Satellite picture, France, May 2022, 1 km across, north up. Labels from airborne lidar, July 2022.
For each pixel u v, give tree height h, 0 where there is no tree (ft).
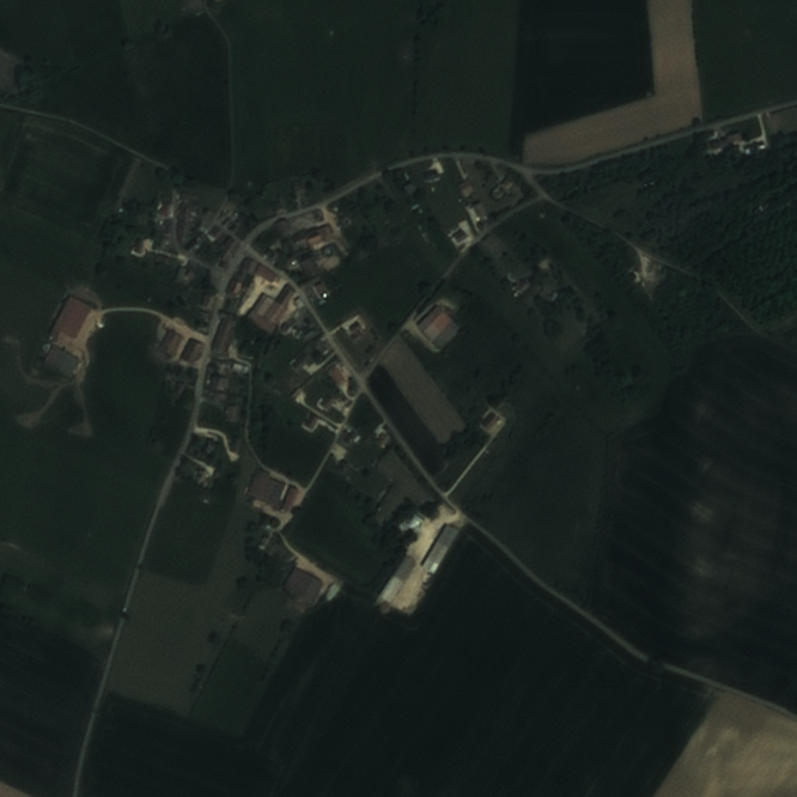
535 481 0
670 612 0
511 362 0
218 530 0
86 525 0
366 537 0
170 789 0
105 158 0
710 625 0
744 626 0
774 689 0
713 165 52
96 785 0
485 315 0
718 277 36
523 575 0
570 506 0
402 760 0
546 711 0
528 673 0
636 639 0
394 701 0
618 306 0
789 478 0
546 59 0
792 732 0
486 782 0
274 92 0
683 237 47
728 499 0
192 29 0
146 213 23
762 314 27
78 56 0
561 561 0
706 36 0
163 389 18
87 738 0
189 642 0
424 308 23
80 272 0
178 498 0
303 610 0
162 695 0
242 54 0
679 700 0
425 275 0
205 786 0
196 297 0
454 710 0
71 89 0
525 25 0
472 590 0
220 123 0
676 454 0
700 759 0
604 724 0
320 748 0
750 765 0
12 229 0
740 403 0
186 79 0
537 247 42
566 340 0
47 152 0
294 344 0
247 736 0
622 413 0
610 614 0
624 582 0
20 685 0
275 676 0
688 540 0
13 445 0
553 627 0
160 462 0
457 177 0
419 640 0
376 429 0
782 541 0
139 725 0
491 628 0
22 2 0
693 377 0
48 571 0
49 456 0
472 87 0
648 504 0
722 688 0
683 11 0
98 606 0
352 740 0
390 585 0
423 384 0
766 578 0
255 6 0
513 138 0
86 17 0
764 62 0
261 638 0
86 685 0
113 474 0
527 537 0
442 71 0
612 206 0
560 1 0
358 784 0
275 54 0
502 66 0
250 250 0
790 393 0
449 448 31
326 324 0
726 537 0
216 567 0
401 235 32
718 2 0
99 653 0
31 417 0
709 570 0
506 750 0
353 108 0
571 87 0
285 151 0
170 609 0
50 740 0
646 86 0
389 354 0
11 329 0
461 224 0
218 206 0
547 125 0
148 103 0
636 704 0
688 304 21
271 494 0
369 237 26
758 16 0
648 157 43
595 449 0
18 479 0
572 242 0
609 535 0
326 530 0
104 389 0
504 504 0
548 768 0
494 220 36
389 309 0
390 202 34
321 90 0
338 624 0
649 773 0
